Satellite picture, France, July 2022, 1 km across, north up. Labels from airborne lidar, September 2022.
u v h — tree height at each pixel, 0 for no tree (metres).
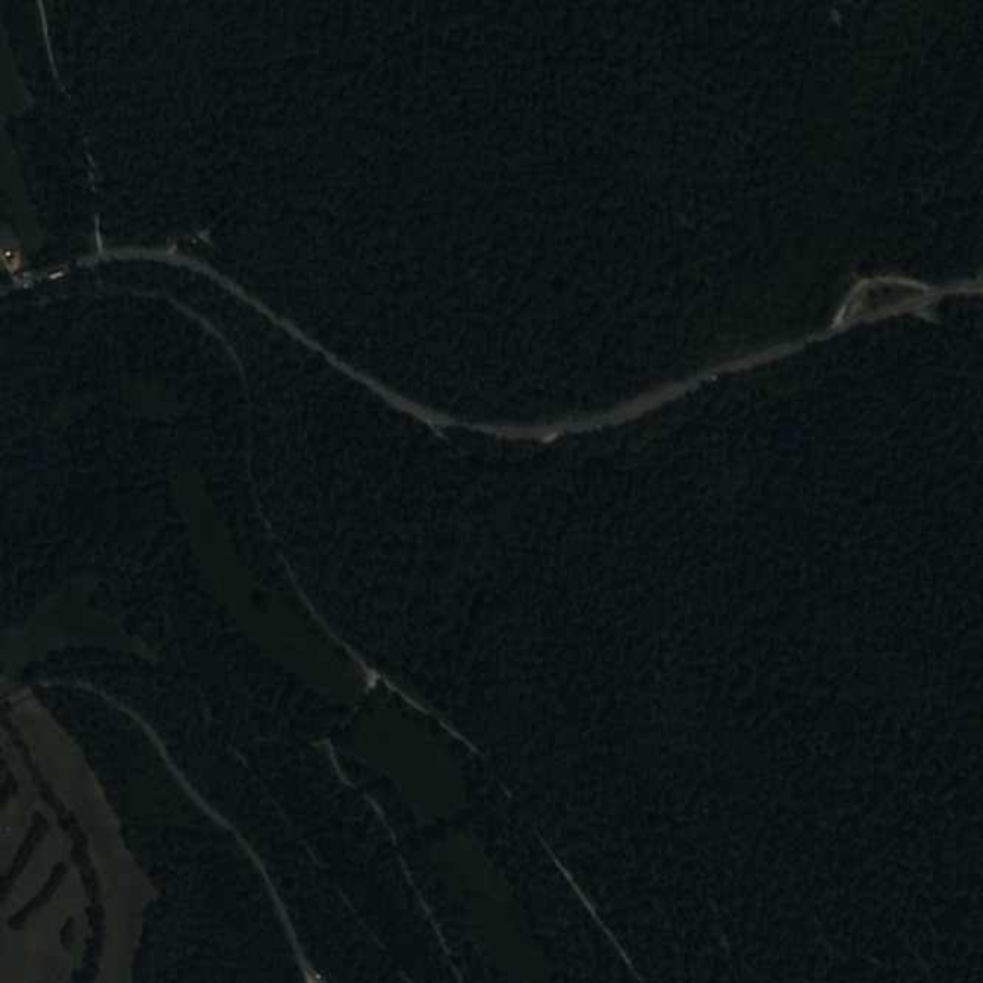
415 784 0
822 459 21
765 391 32
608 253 23
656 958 22
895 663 22
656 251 22
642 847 27
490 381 24
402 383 17
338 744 24
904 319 10
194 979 22
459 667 24
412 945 13
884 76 21
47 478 28
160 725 24
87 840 15
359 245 23
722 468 18
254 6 23
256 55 24
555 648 8
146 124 17
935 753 15
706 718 16
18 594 25
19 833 0
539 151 22
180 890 22
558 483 22
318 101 22
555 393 22
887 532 21
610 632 12
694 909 20
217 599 13
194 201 21
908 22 19
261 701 17
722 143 20
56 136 9
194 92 25
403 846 15
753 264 16
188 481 0
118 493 25
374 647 14
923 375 28
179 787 6
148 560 24
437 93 25
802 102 25
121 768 9
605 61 9
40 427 19
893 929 20
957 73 26
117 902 0
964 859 33
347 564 18
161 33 27
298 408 13
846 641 21
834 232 32
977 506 23
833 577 22
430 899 19
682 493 26
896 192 28
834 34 20
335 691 0
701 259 19
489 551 26
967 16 21
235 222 18
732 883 25
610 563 8
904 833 27
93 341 17
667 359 12
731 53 27
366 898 13
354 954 18
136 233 23
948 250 22
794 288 24
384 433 11
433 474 13
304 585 13
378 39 24
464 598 27
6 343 19
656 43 22
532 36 25
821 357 21
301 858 27
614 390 17
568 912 24
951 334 22
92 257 0
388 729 0
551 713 12
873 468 18
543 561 24
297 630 0
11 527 25
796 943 18
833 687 20
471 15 22
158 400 0
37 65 7
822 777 35
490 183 22
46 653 0
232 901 20
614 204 19
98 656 17
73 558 24
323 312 26
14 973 0
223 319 25
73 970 0
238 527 23
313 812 14
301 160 24
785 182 14
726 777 26
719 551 20
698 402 28
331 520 22
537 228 21
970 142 35
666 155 21
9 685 0
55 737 0
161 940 21
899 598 16
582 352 25
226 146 23
